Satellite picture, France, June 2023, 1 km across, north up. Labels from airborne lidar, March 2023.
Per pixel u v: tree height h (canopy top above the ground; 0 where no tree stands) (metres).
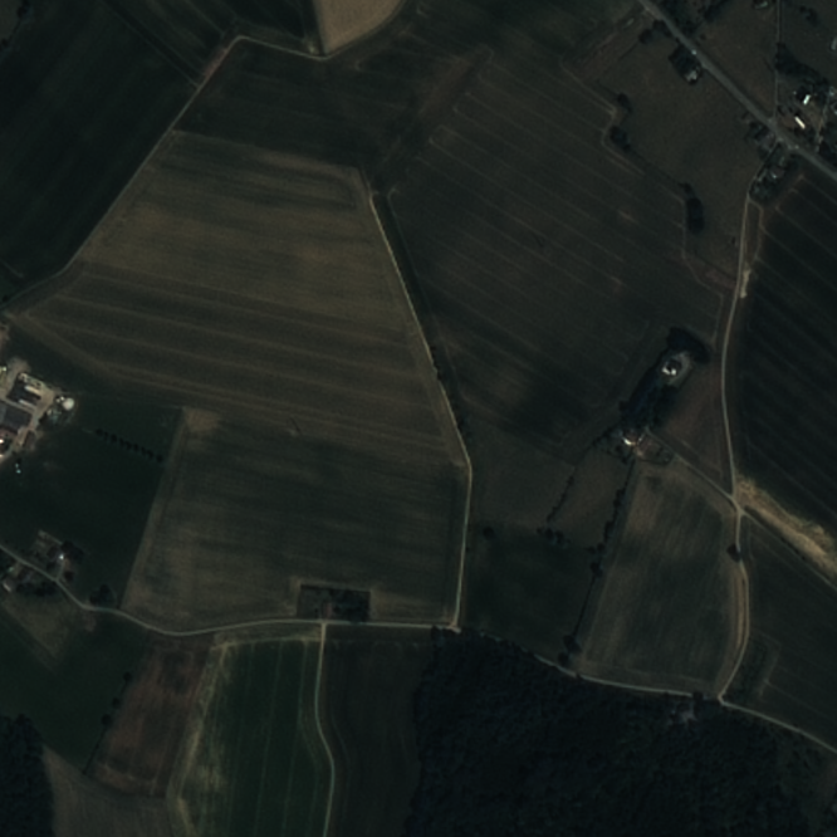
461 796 25
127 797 0
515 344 0
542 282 0
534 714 20
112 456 0
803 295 0
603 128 0
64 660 0
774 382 0
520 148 0
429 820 25
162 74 0
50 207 0
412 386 0
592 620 0
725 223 0
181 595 0
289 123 0
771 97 0
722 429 0
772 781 8
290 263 0
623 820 15
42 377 0
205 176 0
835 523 0
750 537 0
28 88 0
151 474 0
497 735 18
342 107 0
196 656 0
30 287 0
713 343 0
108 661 0
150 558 0
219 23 0
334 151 0
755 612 0
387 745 0
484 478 0
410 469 0
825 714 0
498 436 0
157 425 0
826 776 0
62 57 0
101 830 0
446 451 0
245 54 0
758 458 0
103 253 0
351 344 0
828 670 0
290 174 0
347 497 0
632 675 0
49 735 0
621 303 0
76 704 0
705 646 0
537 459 0
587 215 0
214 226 0
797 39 0
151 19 0
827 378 0
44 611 0
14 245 0
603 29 0
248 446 0
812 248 0
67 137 0
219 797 0
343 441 0
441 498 0
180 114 0
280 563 0
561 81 0
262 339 0
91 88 0
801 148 0
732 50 0
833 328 0
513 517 0
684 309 0
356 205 0
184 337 0
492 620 0
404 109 0
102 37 0
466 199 0
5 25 0
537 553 0
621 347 0
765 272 0
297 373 0
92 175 0
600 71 0
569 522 0
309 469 0
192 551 0
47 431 0
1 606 0
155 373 0
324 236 0
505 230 0
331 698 0
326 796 0
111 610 0
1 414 0
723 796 16
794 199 0
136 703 0
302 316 0
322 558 0
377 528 0
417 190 0
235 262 0
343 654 0
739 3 0
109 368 0
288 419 0
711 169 0
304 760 0
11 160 0
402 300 0
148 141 0
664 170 0
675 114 0
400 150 0
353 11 0
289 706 0
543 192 0
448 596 0
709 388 0
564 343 0
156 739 0
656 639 0
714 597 0
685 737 16
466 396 0
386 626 0
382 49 0
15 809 25
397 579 0
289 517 0
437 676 12
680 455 0
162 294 0
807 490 0
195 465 0
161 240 0
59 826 0
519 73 0
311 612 0
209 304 0
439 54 0
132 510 0
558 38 0
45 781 17
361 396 0
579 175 0
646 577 0
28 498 0
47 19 0
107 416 0
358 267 0
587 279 0
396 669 0
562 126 0
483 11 0
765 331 0
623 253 0
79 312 0
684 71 12
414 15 0
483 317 0
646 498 0
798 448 0
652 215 0
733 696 12
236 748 0
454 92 0
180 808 0
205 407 0
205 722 0
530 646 0
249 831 0
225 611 0
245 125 0
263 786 0
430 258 0
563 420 0
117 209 0
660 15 0
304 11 0
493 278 0
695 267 0
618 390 0
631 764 19
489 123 0
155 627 0
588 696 21
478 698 14
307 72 0
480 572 0
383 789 0
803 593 0
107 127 0
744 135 0
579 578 0
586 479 0
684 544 0
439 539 0
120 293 0
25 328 0
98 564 0
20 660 0
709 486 0
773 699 0
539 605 0
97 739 0
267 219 0
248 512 0
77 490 0
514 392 0
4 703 0
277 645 0
